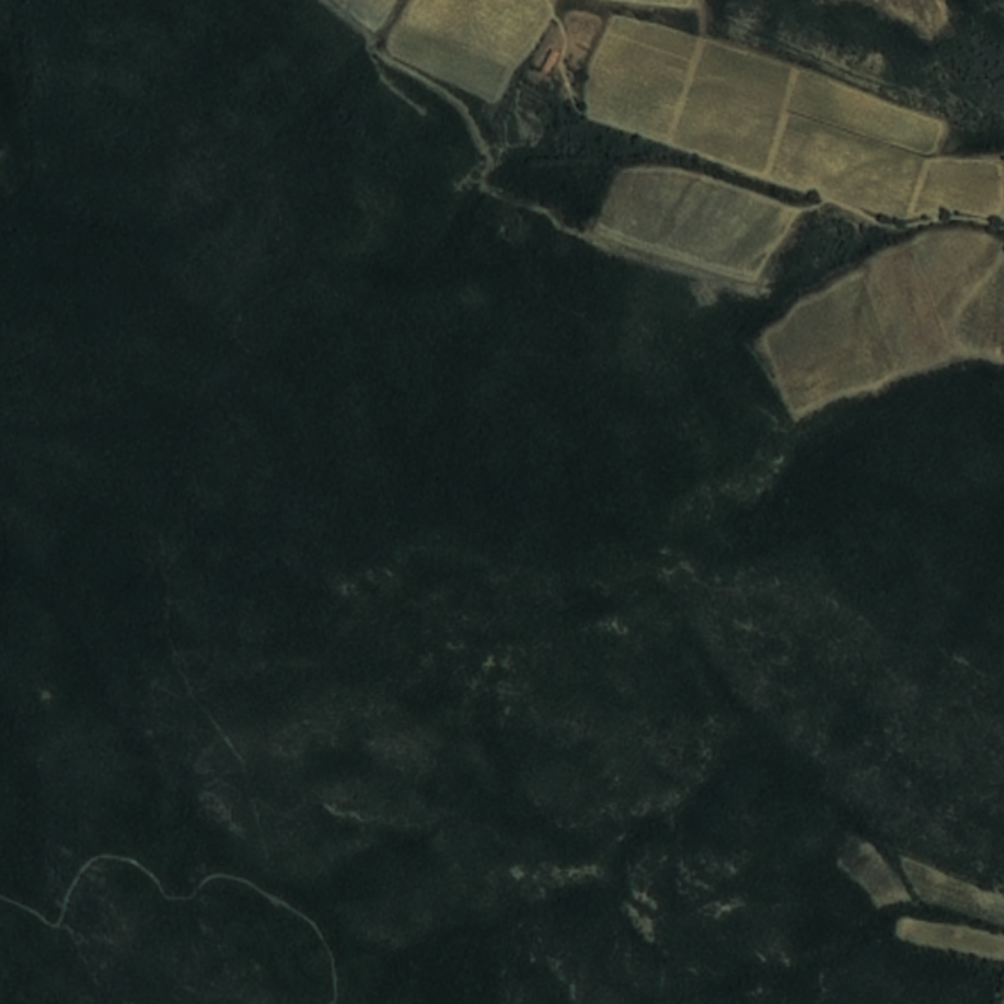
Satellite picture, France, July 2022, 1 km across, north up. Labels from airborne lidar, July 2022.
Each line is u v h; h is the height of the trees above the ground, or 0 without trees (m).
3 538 6
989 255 0
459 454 6
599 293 6
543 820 8
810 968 7
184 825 8
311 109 7
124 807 5
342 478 6
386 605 6
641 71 0
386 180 6
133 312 6
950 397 5
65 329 6
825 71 0
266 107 6
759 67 0
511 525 5
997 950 0
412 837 6
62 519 6
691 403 6
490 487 6
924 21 0
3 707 6
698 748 7
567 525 8
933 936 0
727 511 7
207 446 6
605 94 0
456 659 6
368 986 7
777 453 6
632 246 0
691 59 0
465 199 7
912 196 0
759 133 0
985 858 6
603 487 7
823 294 0
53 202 7
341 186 5
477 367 6
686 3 0
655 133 0
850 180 0
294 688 6
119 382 5
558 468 6
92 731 6
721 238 0
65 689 7
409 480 7
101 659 5
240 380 5
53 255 5
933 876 0
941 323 0
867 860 0
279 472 5
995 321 0
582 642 6
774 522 7
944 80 8
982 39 10
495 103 0
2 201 7
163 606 5
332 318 5
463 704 7
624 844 7
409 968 7
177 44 5
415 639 6
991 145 7
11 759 5
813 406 0
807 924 6
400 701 6
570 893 6
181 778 6
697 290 0
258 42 6
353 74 6
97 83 6
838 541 6
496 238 8
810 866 7
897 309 0
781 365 0
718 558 6
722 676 6
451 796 6
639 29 0
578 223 6
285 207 5
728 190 0
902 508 6
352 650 6
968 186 0
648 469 6
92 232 8
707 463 6
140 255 6
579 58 0
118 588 6
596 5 0
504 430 6
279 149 7
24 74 6
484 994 6
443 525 6
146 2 6
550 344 6
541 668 5
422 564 6
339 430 6
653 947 5
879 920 8
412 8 0
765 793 8
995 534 5
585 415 6
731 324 6
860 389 0
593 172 6
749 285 0
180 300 6
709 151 0
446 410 6
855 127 0
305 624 6
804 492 6
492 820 6
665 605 7
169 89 5
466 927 6
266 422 6
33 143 7
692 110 0
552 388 7
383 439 8
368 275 6
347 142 6
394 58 0
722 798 6
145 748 6
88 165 6
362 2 0
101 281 6
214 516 6
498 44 0
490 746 7
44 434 5
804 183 0
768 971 7
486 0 0
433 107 6
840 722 7
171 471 6
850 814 6
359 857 7
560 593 6
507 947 6
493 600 6
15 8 6
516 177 6
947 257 0
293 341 6
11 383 6
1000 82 10
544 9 0
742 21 0
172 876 6
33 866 6
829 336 0
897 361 0
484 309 6
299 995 5
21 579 7
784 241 0
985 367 8
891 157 0
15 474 6
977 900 0
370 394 6
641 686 6
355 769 7
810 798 7
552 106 7
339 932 6
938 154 0
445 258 9
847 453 7
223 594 6
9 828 6
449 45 0
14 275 5
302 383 6
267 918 6
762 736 7
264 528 6
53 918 6
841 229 7
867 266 0
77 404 6
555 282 6
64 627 5
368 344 6
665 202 0
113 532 6
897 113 0
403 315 6
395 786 6
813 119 0
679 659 6
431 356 5
